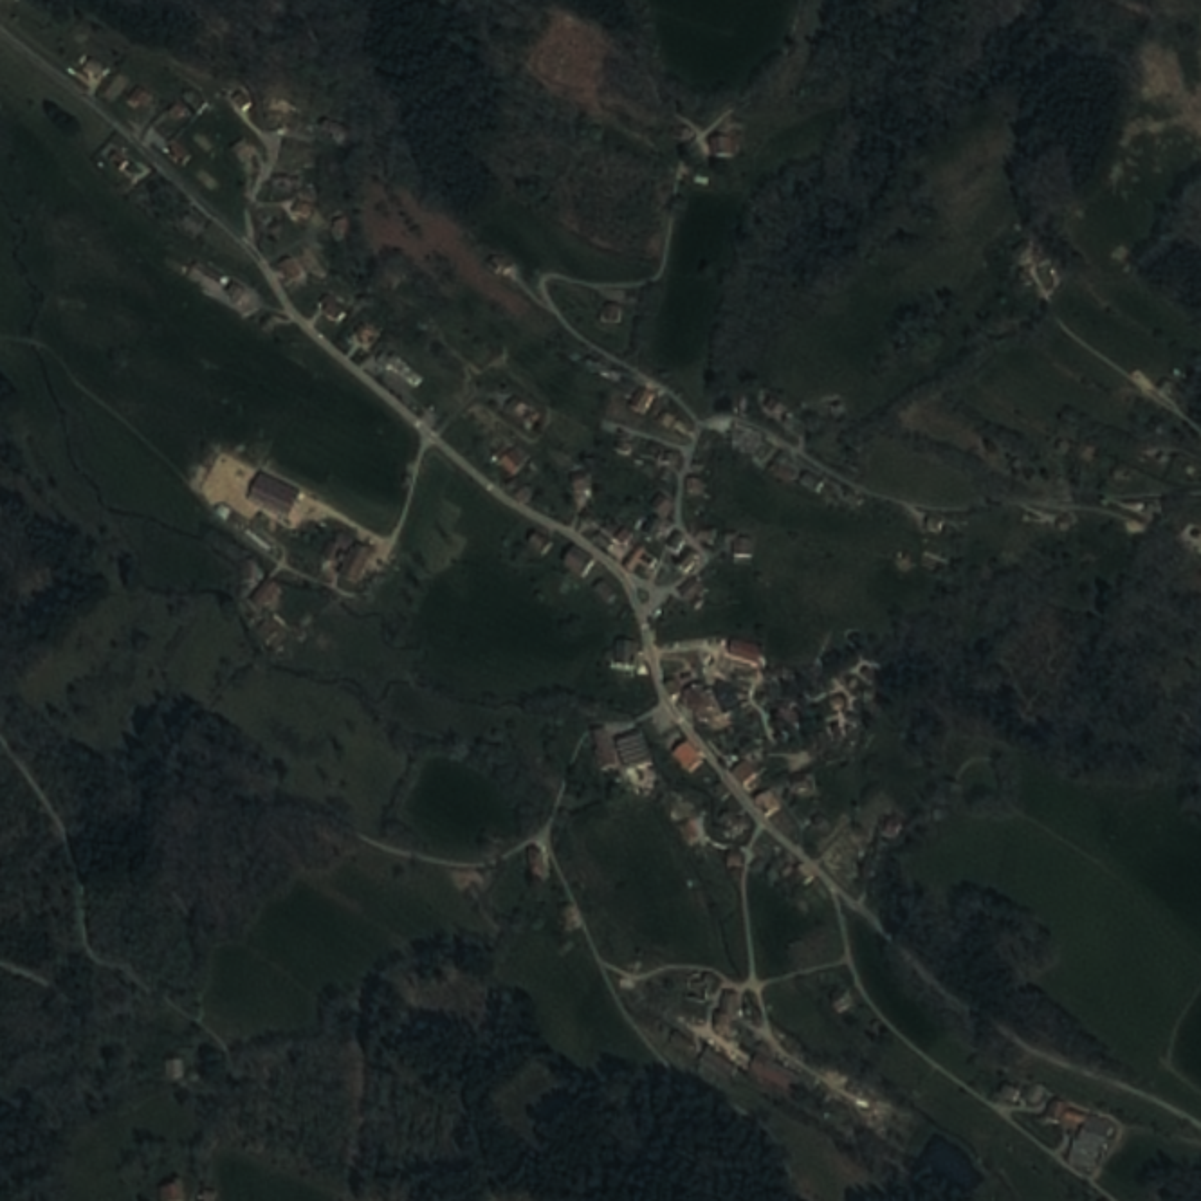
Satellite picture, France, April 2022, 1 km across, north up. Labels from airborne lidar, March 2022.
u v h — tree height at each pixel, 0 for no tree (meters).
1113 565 0
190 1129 0
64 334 0
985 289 0
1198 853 0
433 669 0
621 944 0
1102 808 0
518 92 7
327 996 0
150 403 0
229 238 0
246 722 0
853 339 0
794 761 0
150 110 0
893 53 24
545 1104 0
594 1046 0
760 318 22
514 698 0
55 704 0
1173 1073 0
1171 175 0
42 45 0
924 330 25
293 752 0
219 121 0
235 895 32
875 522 0
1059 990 0
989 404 0
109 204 0
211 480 0
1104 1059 13
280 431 0
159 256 0
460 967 21
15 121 0
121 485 0
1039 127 21
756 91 18
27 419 0
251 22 32
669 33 0
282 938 0
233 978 0
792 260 26
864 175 20
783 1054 0
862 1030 17
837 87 21
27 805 9
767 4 0
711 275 16
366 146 17
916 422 0
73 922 11
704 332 0
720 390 25
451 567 0
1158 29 23
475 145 32
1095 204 0
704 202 0
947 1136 0
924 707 19
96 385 0
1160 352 0
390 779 0
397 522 0
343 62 35
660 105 21
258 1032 0
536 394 0
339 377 0
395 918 0
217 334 0
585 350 6
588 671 0
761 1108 0
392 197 7
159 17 40
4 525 26
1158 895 0
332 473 0
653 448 8
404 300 0
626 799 13
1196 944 0
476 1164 26
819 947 0
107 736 0
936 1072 0
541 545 0
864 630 0
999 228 0
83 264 0
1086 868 0
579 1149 23
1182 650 21
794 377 0
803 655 0
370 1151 11
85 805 19
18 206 0
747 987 0
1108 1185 0
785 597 0
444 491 0
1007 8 24
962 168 0
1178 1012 0
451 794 0
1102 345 0
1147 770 29
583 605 0
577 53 0
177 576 0
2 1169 21
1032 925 18
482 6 22
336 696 0
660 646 0
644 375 0
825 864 0
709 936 0
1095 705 20
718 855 0
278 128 0
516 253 0
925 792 0
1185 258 20
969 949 24
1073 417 15
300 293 0
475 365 0
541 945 0
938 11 30
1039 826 0
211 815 35
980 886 0
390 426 0
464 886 0
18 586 32
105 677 0
